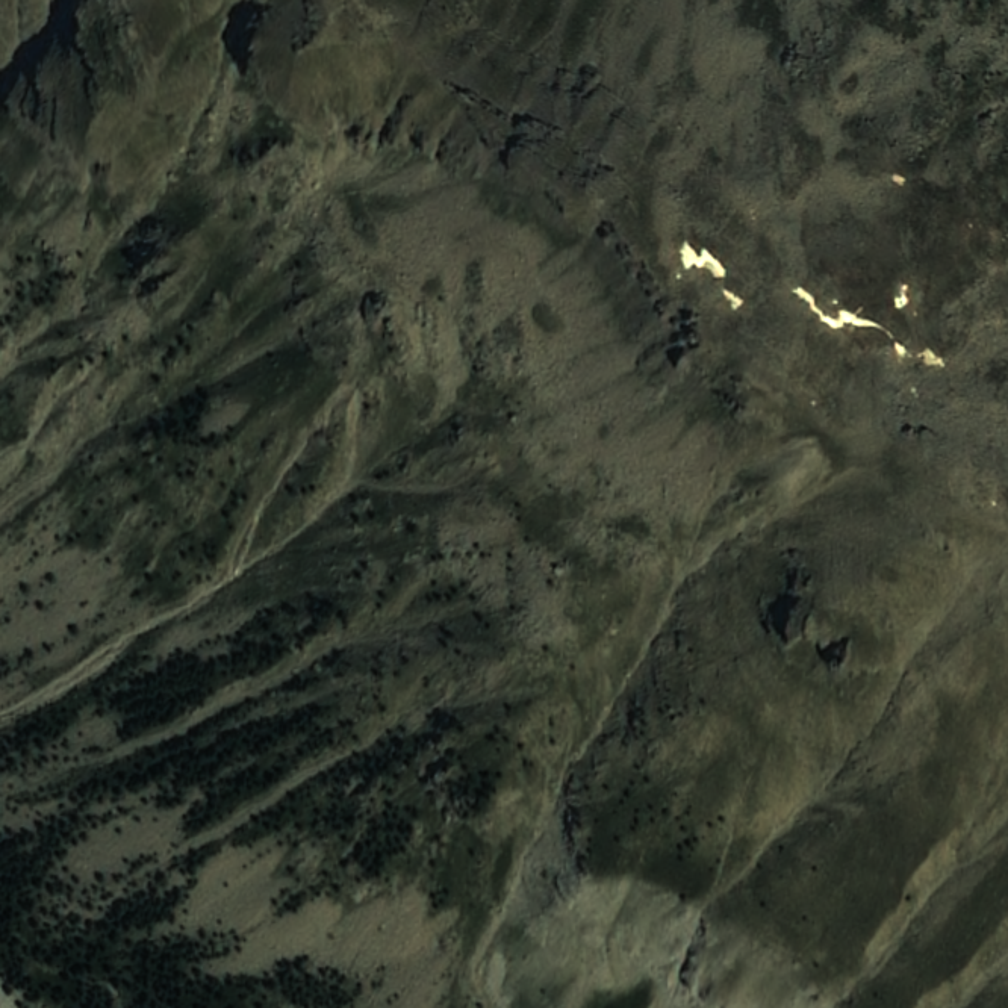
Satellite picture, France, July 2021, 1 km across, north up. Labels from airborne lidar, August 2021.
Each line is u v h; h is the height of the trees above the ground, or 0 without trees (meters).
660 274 0
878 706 0
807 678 0
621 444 0
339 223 0
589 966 0
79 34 0
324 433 0
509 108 0
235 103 0
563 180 0
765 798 0
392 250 0
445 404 0
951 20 0
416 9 0
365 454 0
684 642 0
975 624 0
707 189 0
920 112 0
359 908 0
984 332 0
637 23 0
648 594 0
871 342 0
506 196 0
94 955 17
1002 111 0
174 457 0
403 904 0
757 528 0
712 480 0
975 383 0
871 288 0
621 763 0
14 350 0
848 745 0
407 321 0
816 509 0
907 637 0
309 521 0
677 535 0
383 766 10
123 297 0
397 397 0
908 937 0
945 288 0
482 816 0
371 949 0
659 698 0
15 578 0
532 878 0
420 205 0
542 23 0
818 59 0
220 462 0
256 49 0
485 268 0
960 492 0
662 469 0
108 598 0
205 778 10
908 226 0
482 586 0
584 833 0
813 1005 0
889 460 0
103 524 0
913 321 0
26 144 0
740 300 0
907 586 0
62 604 0
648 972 0
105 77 0
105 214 0
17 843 15
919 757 0
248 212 0
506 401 0
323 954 0
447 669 0
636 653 0
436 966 0
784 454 0
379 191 0
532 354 0
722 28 0
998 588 0
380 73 0
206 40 0
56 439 0
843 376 0
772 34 0
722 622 0
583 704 0
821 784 0
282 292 0
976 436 0
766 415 0
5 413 0
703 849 0
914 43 0
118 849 0
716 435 0
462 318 0
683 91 0
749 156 0
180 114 0
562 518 0
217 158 0
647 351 0
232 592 0
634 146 0
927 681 0
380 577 0
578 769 0
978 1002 0
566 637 0
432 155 0
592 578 0
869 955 0
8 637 0
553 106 0
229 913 0
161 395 0
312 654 0
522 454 0
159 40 0
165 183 0
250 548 0
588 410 0
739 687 0
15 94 0
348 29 0
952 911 0
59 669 0
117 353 0
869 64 0
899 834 0
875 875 0
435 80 0
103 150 0
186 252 0
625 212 0
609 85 0
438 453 0
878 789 0
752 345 0
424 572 0
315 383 0
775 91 0
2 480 0
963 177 0
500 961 0
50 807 0
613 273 0
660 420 0
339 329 0
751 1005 0
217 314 0
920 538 0
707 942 0
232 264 0
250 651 12
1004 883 0
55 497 0
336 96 0
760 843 0
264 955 0
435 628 0
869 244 0
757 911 0
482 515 0
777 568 0
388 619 0
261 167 0
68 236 0
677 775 0
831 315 0
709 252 0
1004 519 0
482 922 0
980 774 0
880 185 0
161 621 0
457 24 0
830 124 0
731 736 0
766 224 0
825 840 0
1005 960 0
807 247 0
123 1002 0
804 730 0
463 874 0
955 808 0
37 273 0
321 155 0
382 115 0
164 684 10
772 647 0
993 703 0
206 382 0
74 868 0
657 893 0
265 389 0
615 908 0
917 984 0
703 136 0
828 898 0
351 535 0
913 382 0
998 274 0
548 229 0
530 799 0
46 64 0
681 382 0
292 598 0
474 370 0
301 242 0
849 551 0
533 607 0
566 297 0
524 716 0
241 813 0
